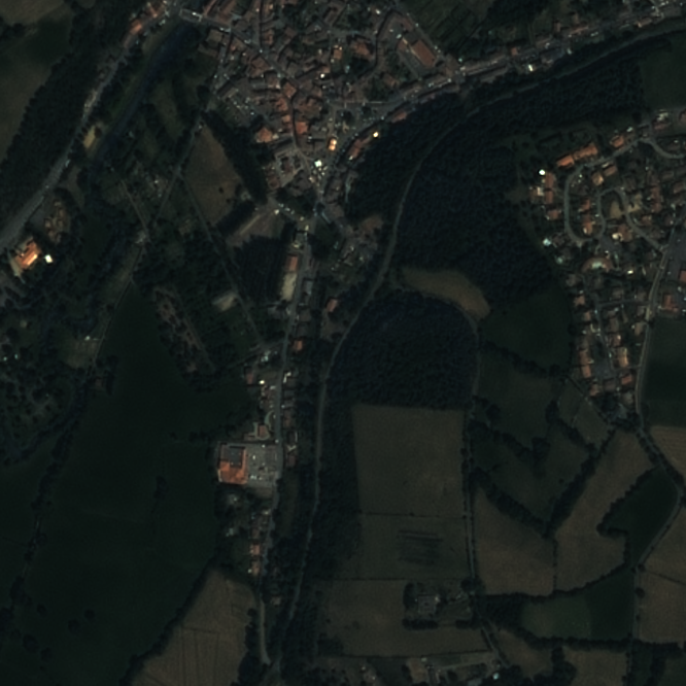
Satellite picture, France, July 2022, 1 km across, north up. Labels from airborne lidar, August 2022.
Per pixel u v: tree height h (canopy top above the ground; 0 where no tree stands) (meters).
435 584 0
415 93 0
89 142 0
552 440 0
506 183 15
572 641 13
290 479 0
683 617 0
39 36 0
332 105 0
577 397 0
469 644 0
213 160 0
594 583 8
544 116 17
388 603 0
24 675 0
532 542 0
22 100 0
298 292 0
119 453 0
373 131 0
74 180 0
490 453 0
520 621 10
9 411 9
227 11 0
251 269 28
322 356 6
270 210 0
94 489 0
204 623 0
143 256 6
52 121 8
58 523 0
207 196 0
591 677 0
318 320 14
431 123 22
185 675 0
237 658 0
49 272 23
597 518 0
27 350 13
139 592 0
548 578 0
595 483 0
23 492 0
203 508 0
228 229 26
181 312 8
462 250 11
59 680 0
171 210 0
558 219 8
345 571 0
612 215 0
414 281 0
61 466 18
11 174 12
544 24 0
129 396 0
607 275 12
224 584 0
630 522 0
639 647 16
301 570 12
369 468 0
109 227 17
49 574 0
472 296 0
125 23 6
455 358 22
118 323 0
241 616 0
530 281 16
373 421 0
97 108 8
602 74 15
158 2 0
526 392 0
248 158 28
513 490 0
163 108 0
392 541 0
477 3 0
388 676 0
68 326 13
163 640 13
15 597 21
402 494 0
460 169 17
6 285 0
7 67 0
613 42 19
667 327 0
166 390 0
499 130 10
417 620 8
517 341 0
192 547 0
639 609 0
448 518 0
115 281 0
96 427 0
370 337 14
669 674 0
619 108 13
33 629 0
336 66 0
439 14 0
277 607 7
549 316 0
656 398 0
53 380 16
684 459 0
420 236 16
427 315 29
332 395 15
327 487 12
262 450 0
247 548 0
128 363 0
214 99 0
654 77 0
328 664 0
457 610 0
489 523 0
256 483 0
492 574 0
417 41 0
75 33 15
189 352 8
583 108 18
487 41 7
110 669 0
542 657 0
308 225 0
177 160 17
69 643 0
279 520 16
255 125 7
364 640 0
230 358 11
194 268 9
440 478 0
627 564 11
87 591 0
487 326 0
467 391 20
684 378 0
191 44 24
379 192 12
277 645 17
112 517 0
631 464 0
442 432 0
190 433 0
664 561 0
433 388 9
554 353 0
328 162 0
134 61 17
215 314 6
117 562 0
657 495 0
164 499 11
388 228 12
